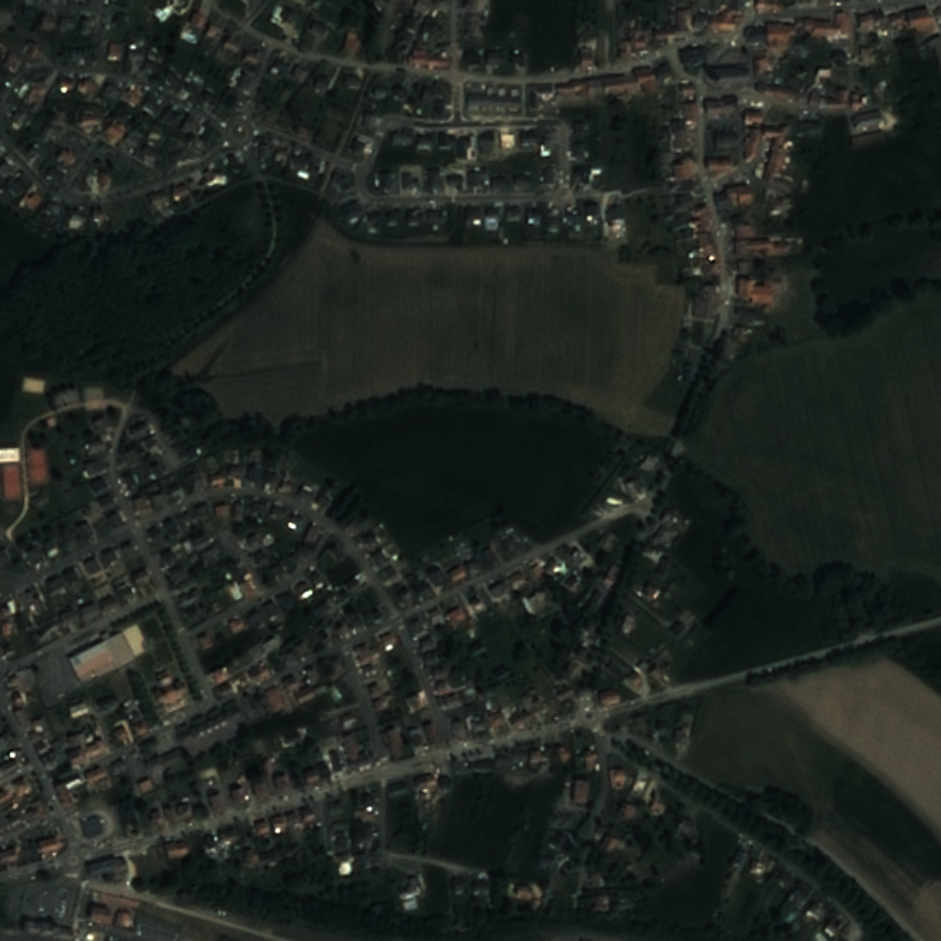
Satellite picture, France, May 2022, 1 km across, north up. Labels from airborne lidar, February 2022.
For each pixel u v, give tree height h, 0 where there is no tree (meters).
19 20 0
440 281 0
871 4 0
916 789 0
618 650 0
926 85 6
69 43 0
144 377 15
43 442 7
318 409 0
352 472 0
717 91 0
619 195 0
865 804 0
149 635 0
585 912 7
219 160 0
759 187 0
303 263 0
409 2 0
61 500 0
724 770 0
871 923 17
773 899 0
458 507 0
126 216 0
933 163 0
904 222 11
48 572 0
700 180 0
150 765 0
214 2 0
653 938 0
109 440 0
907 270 0
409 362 0
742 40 0
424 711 0
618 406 0
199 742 0
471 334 0
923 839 0
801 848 6
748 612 0
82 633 0
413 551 0
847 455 0
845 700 0
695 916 0
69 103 0
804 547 0
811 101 0
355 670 0
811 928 0
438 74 0
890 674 0
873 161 0
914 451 0
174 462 0
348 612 14
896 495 0
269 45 0
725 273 0
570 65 0
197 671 0
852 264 0
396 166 0
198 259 26
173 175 0
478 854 0
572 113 0
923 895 0
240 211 0
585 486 0
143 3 0
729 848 0
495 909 5
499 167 0
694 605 0
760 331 0
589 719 0
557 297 0
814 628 0
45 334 24
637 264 0
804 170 0
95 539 0
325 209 0
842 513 0
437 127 0
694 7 0
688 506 0
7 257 0
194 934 0
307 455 0
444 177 0
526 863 0
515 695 0
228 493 0
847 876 7
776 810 10
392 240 0
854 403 0
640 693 0
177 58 0
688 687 0
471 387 0
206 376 0
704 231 0
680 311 0
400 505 0
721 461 0
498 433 0
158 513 0
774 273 0
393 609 0
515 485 0
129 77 0
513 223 0
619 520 0
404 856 0
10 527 0
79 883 0
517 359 0
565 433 0
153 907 0
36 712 0
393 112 0
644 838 8
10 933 0
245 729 16
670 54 0
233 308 0
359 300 0
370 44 11
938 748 0
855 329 26
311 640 0
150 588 0
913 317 0
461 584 0
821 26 0
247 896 12
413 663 0
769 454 0
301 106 0
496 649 0
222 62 0
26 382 0
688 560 0
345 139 0
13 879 0
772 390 0
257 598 0
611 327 0
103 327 22
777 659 0
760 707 0
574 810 0
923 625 0
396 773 0
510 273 0
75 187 0
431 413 0
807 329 0
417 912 0
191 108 0
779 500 0
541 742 0
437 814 0
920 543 0
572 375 0
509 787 0
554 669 0
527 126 0
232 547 0
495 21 0
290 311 0
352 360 0
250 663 0
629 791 0
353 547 0
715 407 0
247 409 0
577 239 0
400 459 0
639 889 6
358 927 10
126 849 0
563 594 10
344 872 0
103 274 20
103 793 0
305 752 8
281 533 0
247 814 0
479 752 0
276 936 0
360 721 0
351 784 0
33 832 0
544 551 0
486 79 0
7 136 0
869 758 0
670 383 0
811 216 0
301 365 0
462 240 0
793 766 0
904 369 0
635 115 0
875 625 9
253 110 0
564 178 0
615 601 12
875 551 0
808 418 0
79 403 0
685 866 0
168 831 0
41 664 0
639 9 0
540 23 0
